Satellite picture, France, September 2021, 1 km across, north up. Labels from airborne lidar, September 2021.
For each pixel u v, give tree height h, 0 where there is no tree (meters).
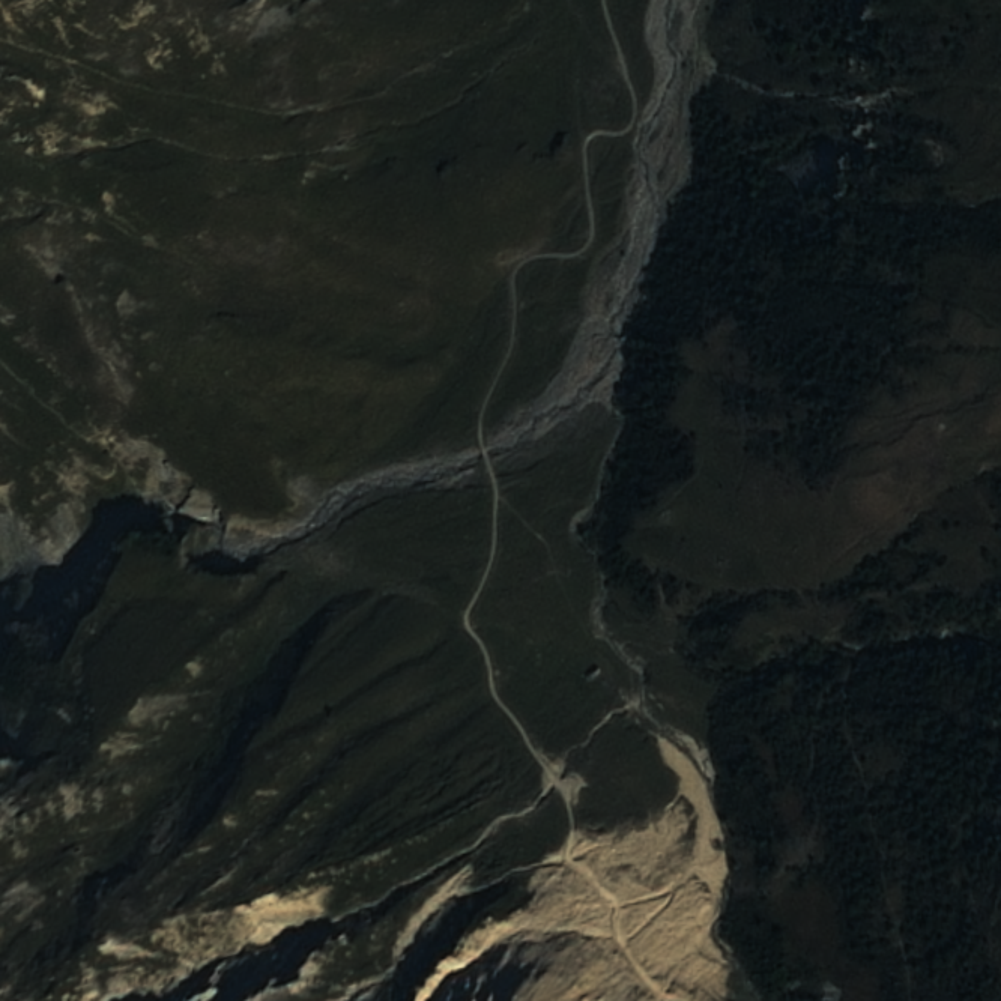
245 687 0
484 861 0
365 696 0
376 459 0
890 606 0
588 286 0
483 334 0
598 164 0
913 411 0
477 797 0
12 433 0
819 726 9
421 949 0
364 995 0
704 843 0
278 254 0
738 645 0
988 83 0
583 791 0
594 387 0
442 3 0
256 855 0
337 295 0
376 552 0
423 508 0
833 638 0
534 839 0
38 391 0
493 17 0
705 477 0
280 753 0
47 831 0
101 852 0
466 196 0
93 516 0
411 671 0
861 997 0
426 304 0
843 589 7
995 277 0
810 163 0
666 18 0
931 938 7
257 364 0
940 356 0
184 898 0
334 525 0
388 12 0
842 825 6
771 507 0
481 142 0
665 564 0
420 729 0
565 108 0
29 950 0
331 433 0
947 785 8
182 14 0
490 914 0
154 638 0
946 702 0
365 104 0
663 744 0
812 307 0
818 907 0
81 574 0
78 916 0
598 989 0
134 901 0
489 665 0
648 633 0
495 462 0
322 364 0
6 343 0
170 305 0
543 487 0
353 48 0
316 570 0
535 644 0
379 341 0
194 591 0
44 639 0
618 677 0
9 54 0
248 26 0
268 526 0
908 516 0
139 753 0
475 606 0
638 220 0
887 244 7
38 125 0
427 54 0
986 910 0
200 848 0
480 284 0
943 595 8
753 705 7
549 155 0
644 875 0
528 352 0
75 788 0
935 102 0
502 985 0
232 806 0
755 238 7
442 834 0
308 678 0
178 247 0
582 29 0
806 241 7
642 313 6
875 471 0
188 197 0
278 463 0
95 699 0
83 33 0
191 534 0
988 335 0
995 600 6
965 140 0
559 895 0
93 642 0
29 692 0
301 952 0
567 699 0
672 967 0
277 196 0
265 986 0
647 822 0
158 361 0
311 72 0
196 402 0
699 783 0
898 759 0
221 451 0
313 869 0
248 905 0
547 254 0
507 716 0
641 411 8
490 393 0
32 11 0
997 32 0
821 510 0
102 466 0
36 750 0
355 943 0
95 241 0
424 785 0
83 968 0
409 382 0
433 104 0
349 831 0
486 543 0
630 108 0
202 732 0
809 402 8
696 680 0
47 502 0
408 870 0
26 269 0
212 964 0
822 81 8
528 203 0
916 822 7
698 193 6
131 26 0
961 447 0
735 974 0
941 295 0
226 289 0
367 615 0
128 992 0
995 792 9
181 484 0
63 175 0
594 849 0
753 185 9
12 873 0
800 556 0
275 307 0
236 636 0
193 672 0
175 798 0
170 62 0
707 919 0
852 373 6
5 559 0
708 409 0
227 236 0
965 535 0
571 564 0
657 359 8
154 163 0
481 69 0
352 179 0
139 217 0
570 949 0
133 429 0
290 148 0
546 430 0
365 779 0
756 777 7
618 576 7
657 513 0
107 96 0
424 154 0
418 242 0
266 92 0
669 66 0
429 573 0
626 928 0
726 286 7
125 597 0
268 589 0
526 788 0
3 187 0
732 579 0
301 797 0
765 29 11
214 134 0
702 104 7
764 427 0
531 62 0
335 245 0
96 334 0
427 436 0
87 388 0
